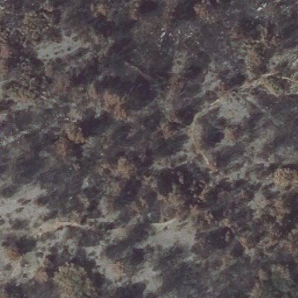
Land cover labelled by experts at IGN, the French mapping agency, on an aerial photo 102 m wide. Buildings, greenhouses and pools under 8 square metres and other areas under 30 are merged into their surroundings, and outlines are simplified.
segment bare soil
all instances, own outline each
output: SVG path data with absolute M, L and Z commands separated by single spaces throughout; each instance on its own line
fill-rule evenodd
M 198 14 L 194 6 L 199 5 L 201 0 L 184 0 L 178 2 L 175 13 L 172 14 L 171 24 L 196 19 Z
M 198 113 L 191 106 L 173 111 L 172 98 L 175 92 L 166 90 L 170 86 L 171 73 L 179 73 L 191 65 L 199 66 L 201 70 L 207 69 L 211 63 L 210 56 L 213 52 L 217 54 L 219 51 L 219 43 L 230 44 L 230 33 L 236 34 L 242 17 L 254 17 L 257 10 L 260 12 L 265 9 L 271 0 L 232 0 L 208 10 L 210 15 L 218 14 L 218 19 L 213 23 L 205 23 L 197 33 L 186 38 L 184 42 L 175 44 L 169 36 L 162 33 L 161 48 L 157 48 L 156 43 L 135 43 L 132 30 L 135 26 L 134 20 L 129 17 L 127 21 L 121 21 L 115 26 L 115 22 L 107 21 L 104 5 L 93 6 L 92 0 L 0 0 L 0 298 L 28 298 L 28 293 L 23 291 L 20 284 L 27 283 L 33 277 L 38 282 L 54 281 L 58 284 L 61 298 L 74 298 L 71 282 L 63 277 L 63 272 L 68 272 L 68 269 L 64 268 L 66 262 L 73 263 L 74 268 L 83 267 L 94 288 L 100 288 L 102 285 L 109 290 L 112 295 L 105 298 L 260 298 L 260 284 L 255 282 L 258 278 L 265 279 L 271 265 L 281 265 L 283 269 L 289 270 L 288 261 L 293 260 L 292 254 L 286 251 L 286 248 L 279 247 L 279 242 L 288 236 L 298 223 L 298 192 L 292 192 L 292 193 L 290 193 L 290 194 L 286 194 L 286 193 L 285 193 L 285 186 L 286 186 L 286 185 L 288 185 L 288 180 L 285 180 L 285 176 L 286 176 L 286 175 L 288 175 L 288 173 L 289 173 L 289 171 L 290 171 L 290 170 L 295 170 L 295 171 L 297 171 L 297 172 L 298 172 L 298 45 L 286 49 L 281 56 L 272 56 L 267 66 L 268 72 L 258 76 L 251 72 L 251 68 L 261 64 L 260 56 L 256 54 L 253 45 L 241 43 L 240 52 L 247 54 L 244 63 L 247 77 L 239 87 L 239 92 L 226 91 L 218 74 L 208 72 L 201 85 L 201 91 L 213 91 L 217 93 L 218 99 L 204 102 Z M 94 85 L 97 93 L 105 93 L 109 86 L 125 91 L 132 102 L 129 115 L 115 120 L 112 114 L 102 112 L 99 118 L 95 118 L 95 112 L 87 105 L 91 102 L 90 93 L 87 92 L 90 84 Z M 136 172 L 129 178 L 114 176 L 107 169 L 99 175 L 97 166 L 107 163 L 118 164 L 121 157 L 136 166 Z M 228 219 L 230 227 L 197 234 L 189 218 L 172 218 L 159 222 L 161 205 L 152 205 L 143 212 L 133 210 L 130 204 L 137 198 L 137 192 L 146 176 L 158 178 L 157 187 L 164 197 L 169 196 L 172 185 L 175 184 L 180 191 L 180 198 L 177 200 L 184 201 L 184 205 L 179 205 L 182 211 L 189 211 L 190 206 L 196 206 L 198 210 L 207 210 L 217 221 Z M 5 248 L 20 255 L 27 254 L 34 248 L 38 253 L 29 258 L 26 267 L 21 267 L 20 262 L 9 260 Z

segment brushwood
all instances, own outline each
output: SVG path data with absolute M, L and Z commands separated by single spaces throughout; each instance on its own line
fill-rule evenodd
M 288 261 L 289 270 L 283 269 L 281 265 L 271 265 L 265 279 L 258 278 L 255 282 L 260 284 L 260 298 L 298 298 L 298 223 L 288 236 L 279 242 L 279 247 L 286 248 L 286 251 L 292 254 L 293 260 Z
M 288 185 L 286 185 L 286 186 L 285 186 L 285 193 L 286 193 L 286 194 L 290 194 L 290 193 L 292 193 L 292 192 L 298 192 L 298 172 L 297 172 L 297 171 L 295 171 L 295 170 L 290 170 L 290 171 L 289 171 L 289 173 L 288 173 L 288 175 L 286 175 L 286 176 L 285 176 L 285 180 L 288 180 Z

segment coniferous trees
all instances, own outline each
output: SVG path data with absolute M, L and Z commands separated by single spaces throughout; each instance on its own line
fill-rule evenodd
M 219 51 L 217 54 L 213 52 L 210 56 L 211 63 L 207 69 L 201 70 L 199 66 L 191 65 L 179 73 L 171 73 L 170 86 L 166 90 L 175 92 L 172 98 L 173 111 L 191 106 L 198 113 L 204 102 L 218 99 L 217 93 L 213 91 L 201 91 L 201 85 L 208 72 L 218 74 L 226 91 L 239 92 L 239 87 L 247 77 L 244 63 L 247 54 L 240 52 L 241 43 L 253 45 L 256 54 L 260 56 L 261 64 L 251 68 L 251 72 L 258 76 L 268 72 L 267 66 L 272 56 L 281 56 L 286 49 L 298 45 L 298 0 L 271 0 L 265 9 L 260 12 L 257 10 L 254 17 L 242 17 L 236 34 L 230 33 L 230 44 L 219 43 Z
M 20 284 L 23 291 L 28 293 L 28 298 L 61 298 L 58 284 L 54 281 L 38 282 L 33 277 L 27 283 Z
M 189 218 L 197 234 L 230 227 L 228 219 L 217 221 L 207 210 L 198 210 L 196 206 L 190 206 L 189 211 L 182 211 L 179 205 L 184 205 L 184 201 L 177 200 L 180 198 L 180 191 L 175 184 L 172 185 L 169 196 L 164 197 L 157 187 L 158 178 L 146 176 L 137 192 L 137 198 L 130 204 L 133 210 L 143 212 L 152 205 L 161 205 L 159 222 L 172 218 Z
M 73 263 L 66 262 L 64 268 L 68 269 L 68 272 L 63 272 L 63 277 L 71 282 L 74 298 L 105 298 L 112 295 L 109 290 L 102 285 L 100 288 L 94 288 L 83 267 L 74 268 Z
M 169 36 L 175 44 L 184 42 L 186 38 L 197 33 L 205 23 L 213 23 L 218 19 L 218 14 L 210 15 L 208 10 L 232 0 L 201 0 L 199 5 L 194 6 L 198 14 L 196 19 L 171 24 L 172 14 L 175 13 L 178 2 L 184 0 L 92 0 L 93 6 L 104 5 L 107 21 L 115 22 L 115 26 L 121 21 L 127 21 L 129 17 L 134 20 L 135 26 L 132 30 L 135 43 L 156 43 L 157 48 L 161 48 L 162 33 Z
M 107 163 L 97 166 L 99 175 L 107 169 L 114 176 L 129 178 L 136 172 L 136 166 L 121 157 L 118 164 Z
M 115 120 L 129 115 L 132 102 L 125 91 L 109 86 L 105 93 L 97 93 L 94 85 L 90 84 L 87 92 L 90 93 L 91 102 L 87 105 L 95 112 L 95 118 L 99 118 L 102 112 L 112 114 Z
M 38 253 L 34 248 L 27 254 L 20 255 L 5 248 L 9 260 L 20 262 L 21 267 L 26 267 L 29 258 Z

